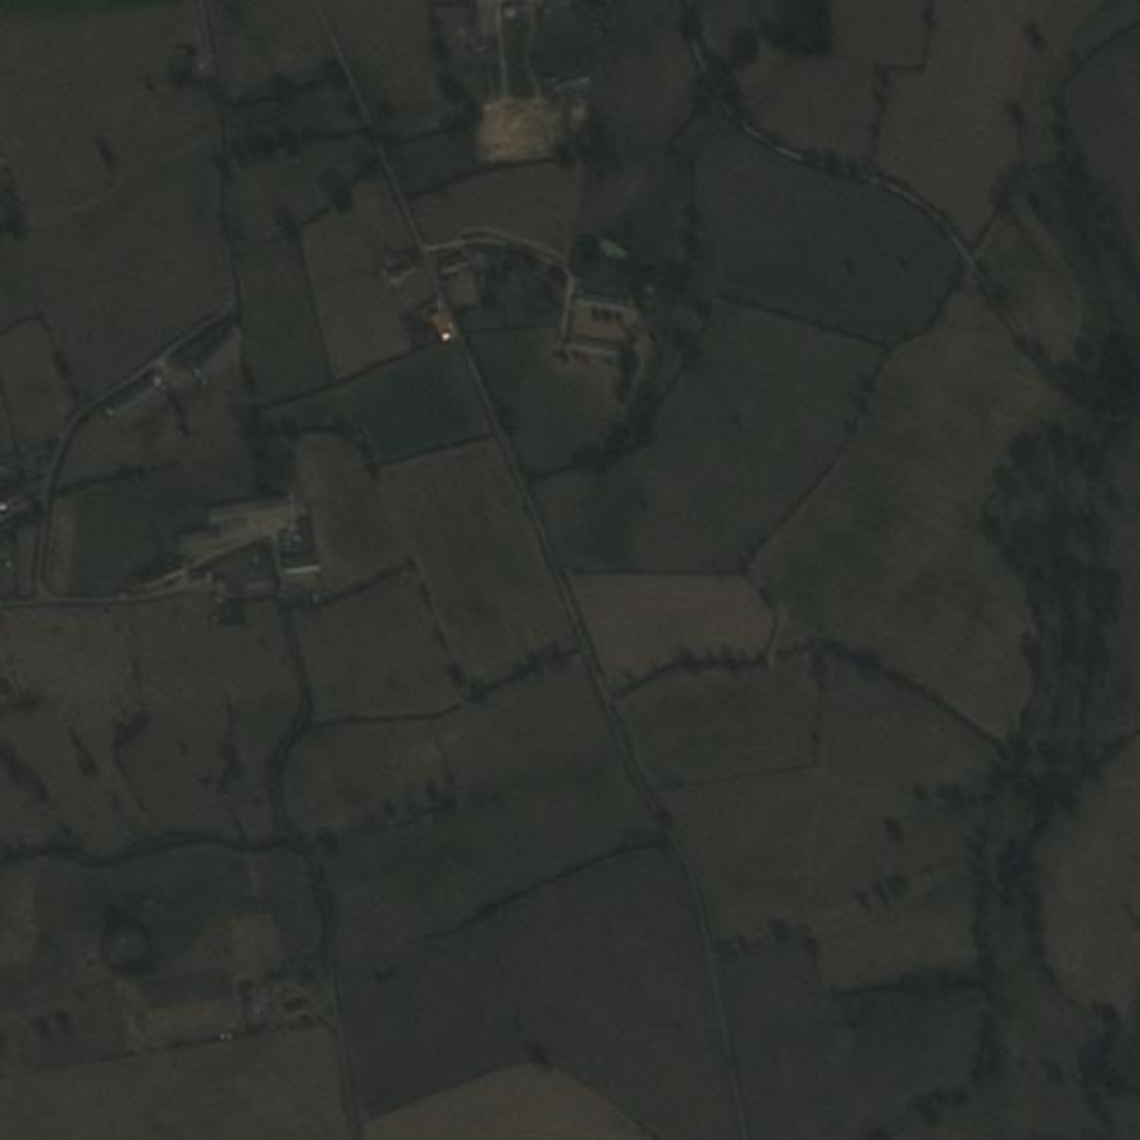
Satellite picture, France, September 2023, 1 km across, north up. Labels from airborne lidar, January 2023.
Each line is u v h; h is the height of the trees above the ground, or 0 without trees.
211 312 0
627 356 15
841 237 0
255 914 0
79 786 0
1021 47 0
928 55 0
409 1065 0
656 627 0
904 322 0
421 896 0
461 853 0
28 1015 0
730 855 0
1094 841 0
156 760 0
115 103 0
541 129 0
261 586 0
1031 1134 0
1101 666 14
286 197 0
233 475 0
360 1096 0
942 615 0
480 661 0
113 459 0
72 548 0
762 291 0
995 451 0
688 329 0
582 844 0
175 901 0
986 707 0
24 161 0
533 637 0
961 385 0
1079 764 15
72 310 0
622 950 0
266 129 0
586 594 0
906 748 0
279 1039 0
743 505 0
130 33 0
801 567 0
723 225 0
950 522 0
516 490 0
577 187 0
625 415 0
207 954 0
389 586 0
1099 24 0
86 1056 0
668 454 0
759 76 0
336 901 0
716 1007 0
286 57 0
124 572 0
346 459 0
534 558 0
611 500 0
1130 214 0
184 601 0
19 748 0
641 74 0
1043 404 0
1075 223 0
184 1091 0
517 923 0
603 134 17
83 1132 0
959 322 0
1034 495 0
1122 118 0
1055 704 0
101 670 0
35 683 0
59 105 0
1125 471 0
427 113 0
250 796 0
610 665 0
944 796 13
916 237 0
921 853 0
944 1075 0
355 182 17
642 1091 0
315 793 0
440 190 12
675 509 0
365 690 0
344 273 0
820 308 0
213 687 0
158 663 0
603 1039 0
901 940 0
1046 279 0
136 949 0
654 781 0
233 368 0
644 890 0
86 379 0
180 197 0
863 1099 0
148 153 0
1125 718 0
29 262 0
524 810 0
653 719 0
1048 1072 16
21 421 0
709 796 0
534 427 0
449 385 0
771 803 0
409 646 0
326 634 0
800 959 0
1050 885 0
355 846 0
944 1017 0
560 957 0
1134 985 0
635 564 0
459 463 0
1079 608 0
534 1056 12
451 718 0
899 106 0
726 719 0
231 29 0
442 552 0
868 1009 0
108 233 0
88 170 0
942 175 0
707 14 0
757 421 0
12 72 0
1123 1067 0
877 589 0
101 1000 0
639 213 0
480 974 0
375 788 0
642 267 13
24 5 0
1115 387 8
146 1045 0
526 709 0
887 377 0
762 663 11
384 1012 0
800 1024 0
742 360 0
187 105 0
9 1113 0
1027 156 0
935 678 0
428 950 0
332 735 0
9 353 0
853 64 0
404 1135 0
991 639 0
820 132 0
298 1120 0
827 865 0
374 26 0
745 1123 0
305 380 0
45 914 0
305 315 0
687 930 0
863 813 0
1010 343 0
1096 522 7
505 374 0
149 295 0
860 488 0
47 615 0
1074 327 0
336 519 0
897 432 0
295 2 0
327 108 0
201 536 0
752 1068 0
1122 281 0
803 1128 0
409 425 0
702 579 0
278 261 0
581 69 0
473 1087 0
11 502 0
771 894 0
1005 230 0
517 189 0
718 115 0
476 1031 0
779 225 0
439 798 10
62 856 12
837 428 0
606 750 0
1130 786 0
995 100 0
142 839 13
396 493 0
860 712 0
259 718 0
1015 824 0
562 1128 0
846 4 0
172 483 0
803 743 0
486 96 0
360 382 0
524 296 0
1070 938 0
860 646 0
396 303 0
